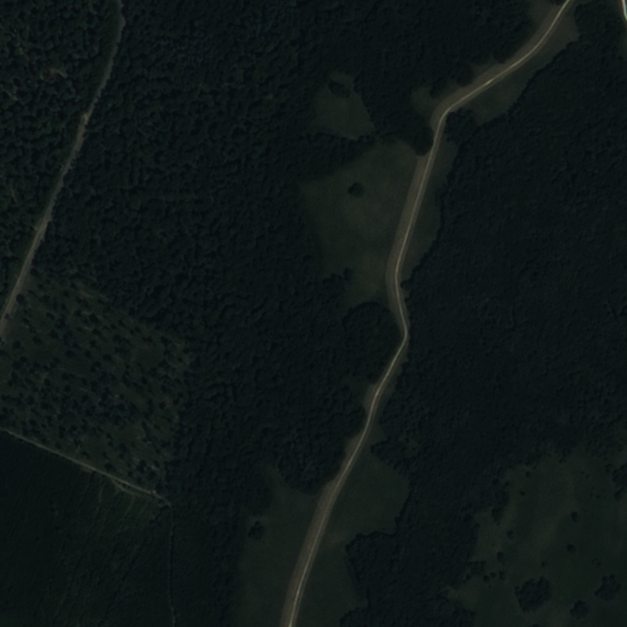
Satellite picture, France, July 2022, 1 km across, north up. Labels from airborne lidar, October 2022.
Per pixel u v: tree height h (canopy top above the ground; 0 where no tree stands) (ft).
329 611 0
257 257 38
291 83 73
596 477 0
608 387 57
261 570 0
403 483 0
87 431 77
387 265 0
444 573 61
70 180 74
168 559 31
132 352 94
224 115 93
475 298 72
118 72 78
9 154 110
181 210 80
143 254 91
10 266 98
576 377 78
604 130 54
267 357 73
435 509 60
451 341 70
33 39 51
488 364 78
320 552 0
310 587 0
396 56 72
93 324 71
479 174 64
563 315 75
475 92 0
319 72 72
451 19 68
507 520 0
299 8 84
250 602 0
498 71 0
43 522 27
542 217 73
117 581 22
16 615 17
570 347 74
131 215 93
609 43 48
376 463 0
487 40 49
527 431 69
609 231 67
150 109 93
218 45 91
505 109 0
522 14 35
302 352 85
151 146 94
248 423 61
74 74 109
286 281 84
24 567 22
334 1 94
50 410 89
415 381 88
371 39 64
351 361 51
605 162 71
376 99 73
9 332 0
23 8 112
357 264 0
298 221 59
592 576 0
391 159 0
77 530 22
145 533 19
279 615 0
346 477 0
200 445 83
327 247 0
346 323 69
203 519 74
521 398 62
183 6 85
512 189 71
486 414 64
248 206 57
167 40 123
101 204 75
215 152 98
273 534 0
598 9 32
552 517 0
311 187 0
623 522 0
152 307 79
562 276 77
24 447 48
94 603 22
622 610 0
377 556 72
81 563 29
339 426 61
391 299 0
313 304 66
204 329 91
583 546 0
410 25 53
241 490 73
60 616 20
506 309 68
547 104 65
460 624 41
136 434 0
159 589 41
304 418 28
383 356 55
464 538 45
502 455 45
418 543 63
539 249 63
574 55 44
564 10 0
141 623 33
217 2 70
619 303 77
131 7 104
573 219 67
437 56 71
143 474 81
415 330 59
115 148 92
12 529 21
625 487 18
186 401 66
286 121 73
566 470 0
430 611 54
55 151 103
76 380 71
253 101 86
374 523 0
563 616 0
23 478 35
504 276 71
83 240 90
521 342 75
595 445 37
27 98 105
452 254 87
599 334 65
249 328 67
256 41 92
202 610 37
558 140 60
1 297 91
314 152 85
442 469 64
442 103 0
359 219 0
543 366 48
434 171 0
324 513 0
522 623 0
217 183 100
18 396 0
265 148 38
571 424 59
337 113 0
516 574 0
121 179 79
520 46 22
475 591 0
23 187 107
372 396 0
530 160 77
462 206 67
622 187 80
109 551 21
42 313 0
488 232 74
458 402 61
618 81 52
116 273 86
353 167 0
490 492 66
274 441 60
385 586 68
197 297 91
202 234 93
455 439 62
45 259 63
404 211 0
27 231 72
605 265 61
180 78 104
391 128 68
